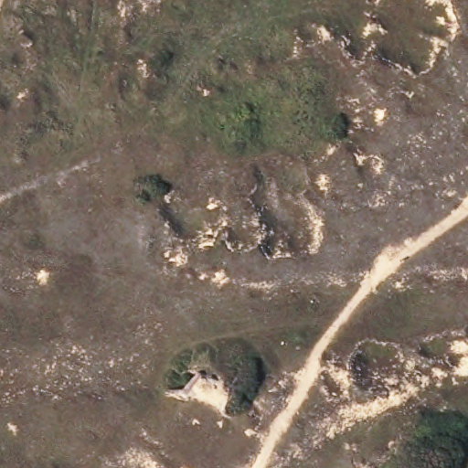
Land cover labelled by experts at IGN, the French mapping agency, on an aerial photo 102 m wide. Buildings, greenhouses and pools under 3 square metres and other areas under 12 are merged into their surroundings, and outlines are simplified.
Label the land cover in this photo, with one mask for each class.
<instances>
[{"label":"herbaceous vegetation","instance_id":"1","mask_svg":"<svg viewBox=\"0 0 468 468\"><path fill-rule=\"evenodd\" d=\"M453 11L459 18V31L453 40L448 27L437 24V16L446 13L444 5L428 4L426 0H0V468H256L254 459L260 453L261 442L269 435L272 422L287 406V397H291L292 391L296 388V373L305 366L320 336L324 335L327 327L333 324L336 316L346 307V303L360 289L364 274L373 269L380 252L386 247L402 245L404 239L419 238L422 232L448 218L452 210L459 208L464 197L468 196V0H452ZM433 37L442 38L446 46H441L435 64L428 66ZM309 205H314L324 223V238L316 254L309 252V245L313 241V232L309 227L311 223L305 212ZM223 338H245L263 360L267 373L265 386L260 391V397L254 400V404L247 411L239 415H229L225 408L218 411L201 400L166 397V391H174L170 388V373L175 369V356L181 351L199 344H212ZM453 342L468 344V216L457 225H453L452 229L446 230L439 238L433 239L428 247L404 258L399 269L378 283L377 291L369 292L356 307L355 313L349 316L346 324L338 329L333 342L325 347L322 353L320 373L309 389L307 399L303 400L302 406L292 417L289 428L280 437V441L276 442L269 464L265 468H382L391 459V455L397 453L402 442L415 441L411 430L419 424L422 417L435 415V411H461L468 415V375L461 380L459 386H453L452 378L435 377L433 369H455L459 366L461 358L452 351ZM406 384H411L417 389L413 397H409L399 406L378 413L375 417L356 420L349 430L336 433L335 437H327V430L316 426V422L335 415L340 408L373 402L378 397L388 399L389 393H397ZM197 367L201 369V377L223 382L218 367L210 364L208 355H199L196 362Z\"/></svg>","mask_w":468,"mask_h":468},{"label":"pervious surface","instance_id":"2","mask_svg":"<svg viewBox=\"0 0 468 468\"><path fill-rule=\"evenodd\" d=\"M428 4L444 5L446 13L437 16V24L448 27L453 40L459 31V18L453 11L452 0H426ZM441 46H446L442 38L433 37L428 66L435 64ZM468 216V196L464 197L459 208L452 210L448 218L422 232L419 238L404 239L402 245L386 247L380 252L373 269L364 274L360 289L346 303V307L336 316L333 324L327 327L324 335L320 336L305 366L296 373V388L292 391L291 397H287V406L272 422L269 435L261 442L260 453L254 459L256 468H265L269 464L276 442L280 441V437L289 428L292 417L302 406L303 400L307 399L309 389L320 373L322 353L325 347L333 342L338 329L346 324L349 316L355 313L356 307L369 292L377 291L378 283L399 269L404 258L428 247L433 239L439 238L446 230L452 229L453 225H457ZM305 212L311 223L309 227L313 232V241L309 245V252L316 254L324 238V223L314 205H309ZM452 351L461 358L459 366L455 369H433L435 377L452 378L453 386H459L461 380L468 375V344L453 342ZM201 369L197 367L196 362L190 364L192 380L185 388L174 391H166V397L201 400L218 411L225 408L229 395L223 388V382L201 377ZM417 389L411 384H406L397 393H389L388 399L378 397L373 402L340 408L335 415L316 422V426L327 430V437H335L336 433L349 430L356 420L375 417L378 413L399 406L409 397H413Z\"/></svg>","mask_w":468,"mask_h":468},{"label":"brushwood","instance_id":"3","mask_svg":"<svg viewBox=\"0 0 468 468\"><path fill-rule=\"evenodd\" d=\"M199 355H208L210 364L218 367L223 382V388L229 395L225 408L229 415H239L247 411L254 404V400L260 397V391L265 386L267 373L263 360L245 338H223L212 344H199L181 351L175 356V369L170 373V388L174 391L185 388L192 380L190 364L196 362ZM415 441L402 442L397 453L391 455V459L382 468H468V415L461 411H435V415L422 417L419 424L411 430Z\"/></svg>","mask_w":468,"mask_h":468}]
</instances>
